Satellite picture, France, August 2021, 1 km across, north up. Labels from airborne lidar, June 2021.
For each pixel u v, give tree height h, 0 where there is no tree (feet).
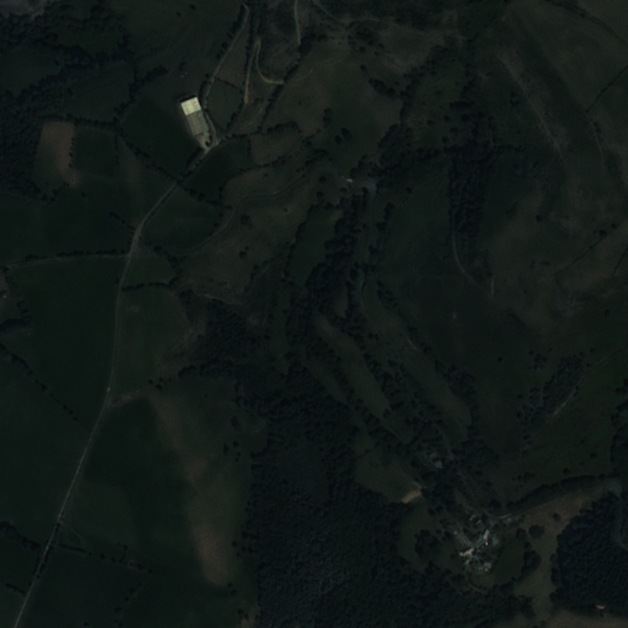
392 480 0
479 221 50
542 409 37
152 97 0
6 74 0
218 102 0
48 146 0
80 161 0
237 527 0
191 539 0
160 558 0
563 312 0
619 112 0
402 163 89
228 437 0
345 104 0
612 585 116
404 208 0
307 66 0
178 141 0
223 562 0
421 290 0
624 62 0
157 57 0
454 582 51
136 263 0
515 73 0
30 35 49
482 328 0
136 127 0
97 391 0
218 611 0
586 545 104
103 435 0
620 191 0
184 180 26
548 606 0
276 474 59
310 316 47
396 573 85
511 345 0
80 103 0
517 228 0
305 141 27
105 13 54
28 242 0
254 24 32
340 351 0
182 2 0
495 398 0
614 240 0
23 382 0
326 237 0
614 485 0
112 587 0
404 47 0
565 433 0
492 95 0
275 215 0
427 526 0
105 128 32
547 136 0
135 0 0
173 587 0
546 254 0
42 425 0
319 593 52
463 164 64
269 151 0
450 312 0
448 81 0
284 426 71
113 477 0
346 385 40
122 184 0
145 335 0
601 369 0
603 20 0
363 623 65
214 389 0
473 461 53
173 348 0
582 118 0
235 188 0
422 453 50
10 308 0
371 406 0
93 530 0
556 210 0
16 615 0
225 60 0
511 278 0
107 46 0
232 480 0
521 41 0
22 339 0
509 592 66
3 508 0
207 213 0
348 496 75
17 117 26
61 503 0
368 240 0
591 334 0
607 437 0
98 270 0
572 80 0
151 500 0
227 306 31
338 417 75
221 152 0
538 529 44
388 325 0
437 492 30
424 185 0
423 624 63
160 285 30
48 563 29
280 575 55
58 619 0
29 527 0
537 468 0
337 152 0
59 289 0
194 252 0
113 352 0
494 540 0
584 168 0
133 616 0
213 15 0
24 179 71
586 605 66
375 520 72
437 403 0
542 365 27
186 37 0
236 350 45
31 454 0
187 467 0
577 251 0
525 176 0
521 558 0
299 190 0
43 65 0
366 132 0
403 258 0
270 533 71
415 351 0
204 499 0
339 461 71
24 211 0
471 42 21
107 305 0
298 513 65
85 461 0
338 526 57
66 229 0
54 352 0
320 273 63
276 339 0
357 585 58
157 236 0
